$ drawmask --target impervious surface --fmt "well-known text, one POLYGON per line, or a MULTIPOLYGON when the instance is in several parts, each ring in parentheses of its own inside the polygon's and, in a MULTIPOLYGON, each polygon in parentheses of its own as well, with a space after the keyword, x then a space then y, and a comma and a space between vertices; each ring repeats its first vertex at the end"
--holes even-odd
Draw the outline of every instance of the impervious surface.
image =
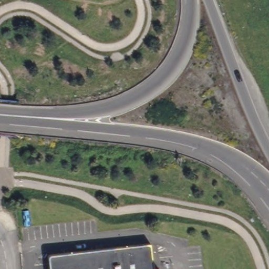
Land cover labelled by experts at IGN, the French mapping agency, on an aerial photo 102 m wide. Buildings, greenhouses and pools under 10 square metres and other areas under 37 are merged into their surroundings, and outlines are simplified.
POLYGON ((56 144, 69 140, 83 141, 86 145, 91 145, 120 145, 123 149, 139 147, 150 153, 156 149, 171 152, 174 158, 179 158, 179 152, 188 154, 189 157, 202 161, 202 164, 210 165, 214 172, 220 172, 239 187, 269 231, 269 170, 248 153, 203 134, 173 126, 115 122, 111 121, 111 118, 124 115, 156 99, 177 81, 192 55, 196 33, 200 27, 200 2, 203 1, 237 97, 256 141, 269 162, 269 112, 260 87, 243 59, 237 54, 216 0, 181 0, 178 33, 166 59, 149 78, 117 97, 67 106, 16 105, 19 100, 15 94, 14 80, 0 61, 0 269, 49 269, 50 255, 139 245, 153 246, 153 262, 158 269, 203 269, 201 248, 188 246, 188 242, 181 237, 139 228, 99 232, 97 218, 92 221, 32 227, 29 211, 24 211, 23 241, 20 242, 13 216, 2 207, 2 198, 11 196, 16 187, 75 196, 109 215, 165 213, 224 225, 243 237, 251 251, 256 269, 269 269, 269 253, 261 235, 253 227, 253 219, 247 221, 243 216, 222 207, 49 177, 33 172, 15 171, 9 165, 9 140, 16 137, 22 139, 23 136, 40 136, 53 140, 56 144), (92 196, 74 188, 16 180, 18 175, 97 191, 92 196), (220 215, 163 205, 143 204, 111 208, 109 206, 120 195, 219 211, 237 220, 233 222, 220 215))
POLYGON ((0 25, 12 18, 32 18, 57 35, 85 54, 100 60, 104 57, 92 53, 87 46, 109 51, 121 49, 132 43, 134 46, 126 54, 130 56, 139 48, 149 32, 152 19, 150 0, 136 0, 136 25, 126 38, 115 43, 91 40, 44 7, 32 2, 15 1, 0 6, 0 25))

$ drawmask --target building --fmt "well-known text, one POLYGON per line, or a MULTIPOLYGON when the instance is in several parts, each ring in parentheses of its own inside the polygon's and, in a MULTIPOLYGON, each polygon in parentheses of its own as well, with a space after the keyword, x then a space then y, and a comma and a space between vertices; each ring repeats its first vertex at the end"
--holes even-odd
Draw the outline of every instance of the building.
POLYGON ((139 245, 50 255, 49 269, 158 269, 153 262, 153 246, 139 245))

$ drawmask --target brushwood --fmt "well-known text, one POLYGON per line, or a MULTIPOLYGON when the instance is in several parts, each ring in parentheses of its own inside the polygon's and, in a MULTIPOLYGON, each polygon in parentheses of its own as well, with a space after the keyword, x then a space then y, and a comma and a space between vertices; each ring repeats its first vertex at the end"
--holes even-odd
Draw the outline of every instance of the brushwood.
POLYGON ((83 85, 82 75, 65 73, 60 58, 54 57, 53 63, 60 79, 68 81, 71 85, 83 85))
POLYGON ((124 179, 132 169, 125 168, 122 164, 119 167, 112 165, 110 168, 102 165, 91 167, 90 175, 96 175, 99 179, 124 179))
POLYGON ((56 144, 55 147, 36 145, 34 152, 25 152, 21 159, 25 164, 51 163, 58 154, 59 146, 64 144, 70 158, 61 160, 61 165, 71 171, 77 169, 84 151, 94 149, 91 145, 86 145, 83 141, 69 140, 56 144))

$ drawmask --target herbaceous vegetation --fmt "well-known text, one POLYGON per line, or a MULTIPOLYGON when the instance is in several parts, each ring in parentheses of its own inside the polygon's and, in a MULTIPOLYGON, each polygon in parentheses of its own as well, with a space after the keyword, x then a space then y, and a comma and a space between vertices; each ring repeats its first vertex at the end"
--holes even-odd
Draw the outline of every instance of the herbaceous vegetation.
POLYGON ((92 196, 97 191, 18 175, 16 180, 74 188, 92 196))
POLYGON ((214 172, 210 165, 202 164, 202 161, 189 157, 188 154, 179 152, 179 158, 174 158, 171 152, 156 149, 150 153, 139 147, 123 149, 120 145, 91 145, 94 149, 84 151, 77 169, 71 171, 61 165, 61 160, 70 158, 64 144, 59 146, 58 154, 51 163, 25 164, 21 159, 25 152, 34 152, 36 145, 55 147, 56 144, 53 140, 40 136, 23 136, 22 139, 16 137, 9 140, 9 165, 15 171, 33 172, 49 177, 222 207, 243 216, 247 221, 253 219, 253 227, 261 235, 269 253, 269 231, 239 187, 220 172, 214 172), (110 168, 112 165, 119 167, 122 164, 125 168, 132 169, 124 179, 99 179, 96 175, 90 175, 91 167, 102 165, 110 168))
POLYGON ((19 100, 16 105, 67 106, 117 97, 149 78, 166 59, 178 33, 181 0, 150 0, 152 19, 149 32, 139 48, 130 56, 126 54, 134 46, 132 43, 121 49, 109 51, 87 46, 92 53, 104 57, 100 60, 85 54, 57 35, 54 38, 56 45, 44 48, 37 38, 23 39, 21 35, 15 35, 12 18, 0 25, 0 61, 14 80, 15 94, 19 100), (60 58, 65 73, 82 75, 83 85, 71 85, 68 81, 60 79, 53 63, 54 57, 60 58))
POLYGON ((139 228, 181 237, 188 242, 188 246, 201 248, 203 269, 256 269, 251 251, 243 237, 224 225, 165 213, 109 215, 75 196, 16 187, 11 196, 2 198, 2 207, 13 216, 20 242, 23 241, 24 211, 29 211, 32 227, 92 221, 97 218, 99 232, 139 228))
POLYGON ((200 2, 200 27, 196 33, 192 55, 177 81, 156 99, 124 115, 111 118, 111 121, 115 122, 173 126, 203 134, 248 153, 269 170, 269 162, 256 141, 237 97, 203 1, 200 2))
POLYGON ((111 208, 143 204, 163 205, 220 215, 233 222, 237 220, 219 211, 120 195, 109 206, 111 208))
POLYGON ((15 1, 32 2, 44 7, 91 40, 115 43, 126 38, 136 25, 136 0, 0 0, 0 6, 15 1))
POLYGON ((260 87, 269 112, 269 0, 216 0, 237 54, 243 59, 260 87))

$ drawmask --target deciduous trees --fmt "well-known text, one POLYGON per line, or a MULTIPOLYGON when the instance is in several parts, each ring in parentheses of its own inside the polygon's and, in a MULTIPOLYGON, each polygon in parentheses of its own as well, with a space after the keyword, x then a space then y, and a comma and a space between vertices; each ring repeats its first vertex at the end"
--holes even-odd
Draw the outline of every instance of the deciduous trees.
POLYGON ((15 35, 21 35, 23 39, 37 38, 44 48, 56 45, 54 38, 57 35, 32 18, 12 18, 15 35))

